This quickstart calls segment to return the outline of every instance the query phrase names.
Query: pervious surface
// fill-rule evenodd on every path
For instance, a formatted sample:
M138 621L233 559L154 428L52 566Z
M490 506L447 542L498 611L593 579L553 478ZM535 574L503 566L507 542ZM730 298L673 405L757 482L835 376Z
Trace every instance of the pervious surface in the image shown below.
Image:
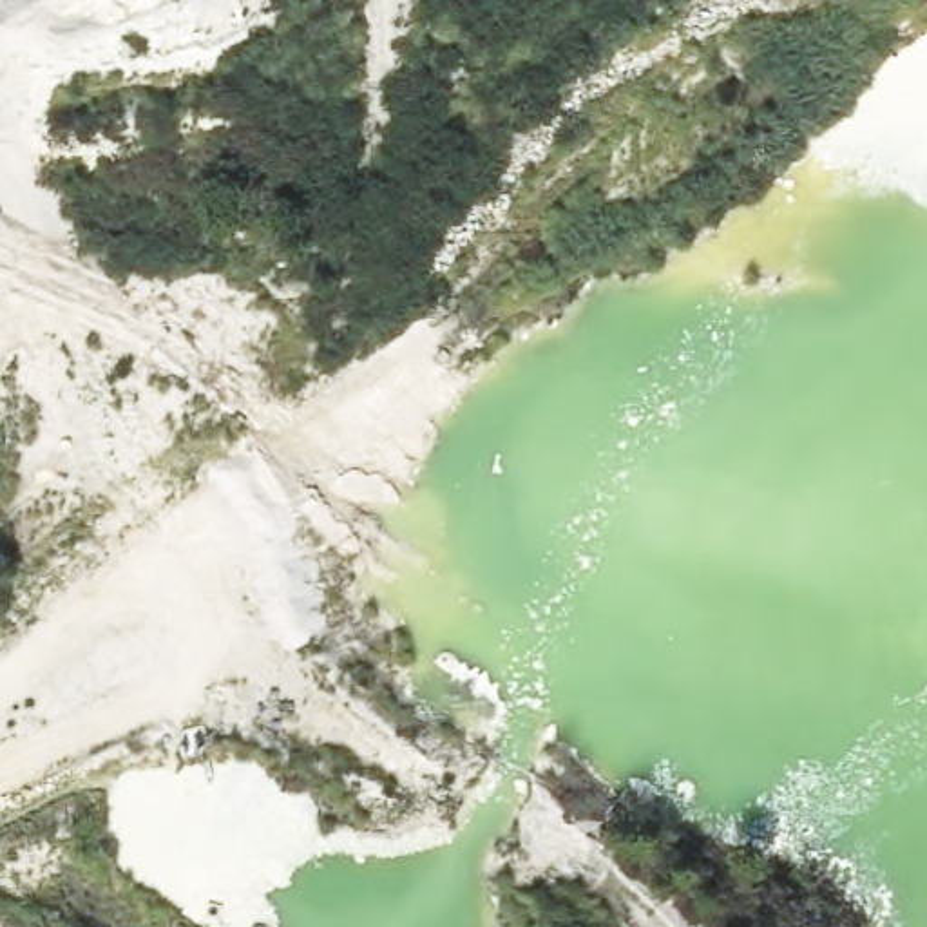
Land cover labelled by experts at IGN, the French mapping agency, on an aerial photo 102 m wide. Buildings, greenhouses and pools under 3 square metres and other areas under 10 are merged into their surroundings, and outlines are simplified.
M902 51L880 65L873 87L858 98L855 112L833 123L826 134L811 138L808 152L826 167L855 170L865 185L865 196L905 192L913 203L927 206L927 0L923 0L898 18Z
M474 232L492 232L507 225L511 199L496 196L492 203L474 203L456 228L445 232L442 250L435 253L435 272L453 268L456 253L474 239Z
M391 43L409 33L413 0L369 0L369 51L362 80L362 167L373 167L384 141L387 109L380 83L395 69Z
M36 844L22 847L14 862L0 865L0 887L7 894L29 894L47 876L54 876L62 851Z
M366 699L351 695L351 677L340 674L340 663L358 655L384 630L395 626L391 616L380 612L377 597L366 601L355 583L355 572L384 572L384 561L377 558L380 550L402 550L402 540L380 529L384 511L377 503L398 500L398 485L409 482L420 456L435 442L438 416L474 384L482 362L460 366L467 348L478 348L478 333L467 319L427 315L416 319L391 344L377 348L373 355L348 362L337 373L326 373L315 384L304 384L301 395L275 398L257 362L272 351L268 333L275 330L275 315L253 308L253 293L228 286L221 275L185 275L174 282L141 275L109 279L94 257L76 253L76 228L62 217L58 192L36 181L40 163L83 159L83 167L94 167L101 156L145 152L138 138L138 109L145 91L177 87L185 72L210 72L232 43L250 36L250 29L275 22L268 0L0 0L0 391L22 391L40 402L40 435L33 445L18 449L22 478L18 492L11 496L14 507L33 507L36 500L54 503L54 511L43 518L51 525L62 525L76 503L87 503L91 496L112 500L112 511L94 525L91 540L76 543L65 558L51 558L51 565L65 576L65 587L43 594L36 626L0 645L0 811L14 818L51 793L72 789L105 789L109 804L109 829L119 844L119 865L130 869L138 880L170 898L196 927L272 927L275 909L268 905L268 891L286 887L293 869L308 858L395 858L435 847L453 836L456 815L464 818L474 800L485 800L496 789L496 771L489 768L489 760L496 757L492 742L485 735L464 731L460 750L445 739L406 742ZM98 134L94 141L51 141L47 109L54 87L69 83L72 72L112 69L127 76L127 83L119 87L123 127L109 138ZM243 731L257 746L268 746L272 728L293 731L308 742L351 746L362 760L395 771L398 782L416 793L416 808L406 818L373 779L344 775L348 789L355 789L358 800L369 808L369 826L362 833L322 833L315 800L308 793L286 793L261 764L228 760L221 746L199 746L196 735L206 728Z
M710 33L724 33L731 18L746 11L800 11L818 7L822 0L688 0L688 18L677 18L659 43L652 43L648 51L616 51L612 62L601 65L594 76L579 76L565 101L565 109L579 109L587 98L597 98L626 76L645 72L666 54L677 54L684 43L706 40Z
M554 130L547 123L514 138L503 181L521 181L521 170L543 159L554 141Z
M485 865L496 873L514 869L521 884L536 876L583 876L612 898L623 927L677 927L677 905L655 898L648 884L626 876L601 844L601 829L612 826L616 786L594 782L579 757L561 760L565 775L543 771L543 786L529 779L518 782L518 822L485 858Z

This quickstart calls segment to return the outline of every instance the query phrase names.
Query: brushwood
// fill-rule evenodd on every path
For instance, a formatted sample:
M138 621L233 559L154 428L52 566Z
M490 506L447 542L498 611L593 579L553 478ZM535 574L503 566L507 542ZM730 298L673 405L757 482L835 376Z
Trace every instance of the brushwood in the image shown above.
M760 847L721 844L717 836L706 836L695 822L688 822L674 800L641 797L630 786L616 786L612 826L601 829L601 844L626 876L648 884L655 898L677 905L677 927L873 927L865 913L836 887L826 865L789 862Z
M612 898L583 876L536 876L521 884L514 869L496 873L492 894L500 898L500 920L492 927L623 927Z
M11 532L0 529L0 587L18 572L22 550Z
M416 659L416 641L409 626L395 626L384 630L358 655L340 663L340 674L351 677L351 695L366 699L406 742L445 739L460 750L464 731L453 717L420 721L413 702L406 702L395 688L398 666L409 666Z
M72 815L72 851L62 851L54 876L76 887L91 880L101 894L119 894L138 880L130 869L119 865L119 844L109 829L109 804L101 808L87 797Z
M858 98L873 87L880 65L902 51L898 18L923 0L822 0L818 7L800 11L746 11L731 18L724 33L710 33L706 40L684 43L702 58L706 83L717 83L724 105L735 105L739 80L768 94L764 101L746 109L746 138L717 152L699 148L695 163L677 177L663 181L652 196L608 199L601 170L579 170L576 177L565 177L550 199L554 235L547 235L543 243L554 264L572 257L583 268L590 268L594 257L619 257L623 239L648 228L666 228L688 246L702 228L721 225L728 210L760 203L775 177L782 177L789 163L797 163L808 152L811 138L826 134L833 123L855 112Z
M362 760L351 746L308 742L293 731L272 728L268 746L257 746L243 731L206 728L196 735L199 746L221 746L228 760L261 764L286 793L308 793L315 800L322 833L362 833L369 826L369 808L358 800L355 789L348 789L344 775L373 779L406 818L416 808L416 793L398 782L395 771Z
M590 119L579 109L565 109L565 101L554 109L547 123L554 130L554 141L572 148L587 141Z

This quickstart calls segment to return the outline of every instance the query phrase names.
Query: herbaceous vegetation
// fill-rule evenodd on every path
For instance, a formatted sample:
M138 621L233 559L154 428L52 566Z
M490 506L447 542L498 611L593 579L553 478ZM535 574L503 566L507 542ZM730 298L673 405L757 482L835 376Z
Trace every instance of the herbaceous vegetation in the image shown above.
M83 167L83 159L40 163L36 181L58 192L62 217L76 228L76 253L94 257L109 279L141 275L174 282L185 275L221 275L228 286L253 293L253 308L275 315L275 330L268 333L272 351L257 362L275 398L301 395L304 384L315 384L326 373L337 373L348 362L373 355L377 348L391 344L416 319L427 315L467 319L478 333L478 348L467 348L460 366L482 362L503 351L518 326L558 322L565 308L579 297L583 282L608 275L652 275L666 264L666 253L688 246L666 228L648 228L623 239L619 257L594 257L590 268L583 268L572 257L554 264L543 243L547 235L554 235L550 199L565 177L576 177L579 170L601 170L608 199L652 196L663 181L677 177L695 163L699 148L717 152L746 138L746 109L764 101L768 94L739 80L735 105L724 105L717 83L706 83L702 58L684 43L677 54L666 54L645 72L626 76L597 98L587 98L579 109L590 119L587 141L572 148L554 141L543 159L521 170L521 181L503 181L514 138L547 123L554 109L565 101L579 76L594 76L601 65L612 62L616 51L648 51L652 43L659 43L677 18L688 18L688 0L413 0L409 33L391 43L395 69L380 83L387 109L384 141L373 167L362 167L362 80L369 51L369 0L268 0L275 22L250 29L250 36L232 43L210 72L185 72L177 87L145 91L138 109L138 138L145 152L101 156L94 167ZM435 272L435 253L442 250L445 232L456 228L474 203L492 203L496 196L511 199L507 225L492 232L474 232L474 239L456 253L453 268Z
M119 87L127 83L127 76L112 69L72 72L69 83L54 87L47 109L51 141L94 141L98 134L109 138L123 127Z
M62 851L72 851L72 815L87 797L101 808L109 804L105 789L72 789L51 793L14 818L0 811L0 865L14 862L22 847L36 844Z
M170 898L138 880L119 894L101 894L91 880L76 887L54 876L47 876L29 894L7 894L0 887L0 927L196 927Z
M87 503L76 503L62 525L51 525L43 518L54 511L54 503L36 500L33 507L14 507L11 496L18 492L22 478L18 449L33 445L40 435L40 402L22 391L0 391L0 529L11 532L22 550L18 572L0 587L0 645L36 626L43 594L65 587L65 576L51 565L51 558L65 558L76 543L91 540L94 525L112 511L112 500L91 496Z

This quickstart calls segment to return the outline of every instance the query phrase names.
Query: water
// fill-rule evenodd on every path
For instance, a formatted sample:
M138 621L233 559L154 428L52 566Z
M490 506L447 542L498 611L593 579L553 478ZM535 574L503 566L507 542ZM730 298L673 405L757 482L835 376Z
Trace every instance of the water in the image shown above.
M565 775L561 760L579 757L594 782L616 786L630 786L641 797L674 800L688 822L695 822L706 836L717 836L721 844L760 847L789 862L826 865L836 887L865 913L873 927L927 927L927 206L913 203L905 192L865 196L865 185L855 170L826 167L808 152L797 163L789 163L782 177L775 177L760 203L728 210L721 225L702 228L688 246L666 253L666 264L652 275L608 275L583 282L579 297L565 308L558 322L518 326L503 351L482 362L474 384L438 416L435 442L420 456L409 482L398 485L398 500L377 503L384 511L380 529L402 540L402 550L380 550L377 558L384 561L384 572L355 572L355 583L366 601L377 597L380 612L391 616L395 626L409 626L416 641L416 659L409 666L398 666L395 688L406 702L413 702L420 721L453 717L464 731L485 735L492 742L496 757L489 760L489 768L496 771L496 789L485 800L474 800L464 818L456 815L453 836L435 847L395 858L308 858L293 869L286 887L268 891L268 905L275 909L272 927L492 927L500 920L500 898L492 894L496 873L485 865L485 858L518 822L518 782L529 779L543 786L543 771Z

